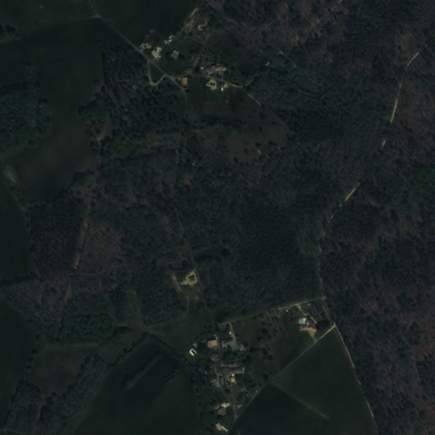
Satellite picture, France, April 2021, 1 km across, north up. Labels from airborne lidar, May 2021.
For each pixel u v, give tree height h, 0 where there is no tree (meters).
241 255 20
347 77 20
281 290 12
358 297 13
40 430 18
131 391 0
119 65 22
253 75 13
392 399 8
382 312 8
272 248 17
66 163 0
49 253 17
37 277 18
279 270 18
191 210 17
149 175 22
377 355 14
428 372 24
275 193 13
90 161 0
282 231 19
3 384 0
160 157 17
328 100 14
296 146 13
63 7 0
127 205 18
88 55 0
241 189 12
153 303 19
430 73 11
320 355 0
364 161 16
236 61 0
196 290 0
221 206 14
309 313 11
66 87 0
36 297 17
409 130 15
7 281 0
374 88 12
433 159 28
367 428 0
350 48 20
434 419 0
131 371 0
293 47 16
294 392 0
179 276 0
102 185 12
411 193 21
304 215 20
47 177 0
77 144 0
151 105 24
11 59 0
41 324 16
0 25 0
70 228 18
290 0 21
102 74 0
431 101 22
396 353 17
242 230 15
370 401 14
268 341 8
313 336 0
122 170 24
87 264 8
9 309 0
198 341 0
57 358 0
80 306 15
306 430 0
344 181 15
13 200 0
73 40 0
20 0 0
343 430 0
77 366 0
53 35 0
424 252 21
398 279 14
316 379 0
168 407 0
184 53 0
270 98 13
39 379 0
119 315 19
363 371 20
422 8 18
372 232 19
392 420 23
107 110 21
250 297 12
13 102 23
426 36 19
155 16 0
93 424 0
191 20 0
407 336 27
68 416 10
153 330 0
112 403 0
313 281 14
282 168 15
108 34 0
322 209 19
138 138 21
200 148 6
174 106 19
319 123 21
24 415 17
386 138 19
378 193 21
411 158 10
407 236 9
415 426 17
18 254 0
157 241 20
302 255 15
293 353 0
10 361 0
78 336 23
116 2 0
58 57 0
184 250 7
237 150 0
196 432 0
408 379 16
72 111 0
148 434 0
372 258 16
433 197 20
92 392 13
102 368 22
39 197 0
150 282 22
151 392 0
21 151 0
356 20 21
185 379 0
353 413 0
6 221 0
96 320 20
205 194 14
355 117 21
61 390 0
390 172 15
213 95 0
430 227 12
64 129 0
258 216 19
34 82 12
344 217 21
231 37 0
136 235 18
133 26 0
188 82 14
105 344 17
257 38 11
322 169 12
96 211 12
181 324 0
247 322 0
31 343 0
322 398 0
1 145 16
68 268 17
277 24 10
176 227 11
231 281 13
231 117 0
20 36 12
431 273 18
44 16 0
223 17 14
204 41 7
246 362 14
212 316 0
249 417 0
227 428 0
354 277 15
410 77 20
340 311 13
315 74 20
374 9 25
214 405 10
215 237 21
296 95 15
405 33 20
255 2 14
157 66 0
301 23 24
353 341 13
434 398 9
